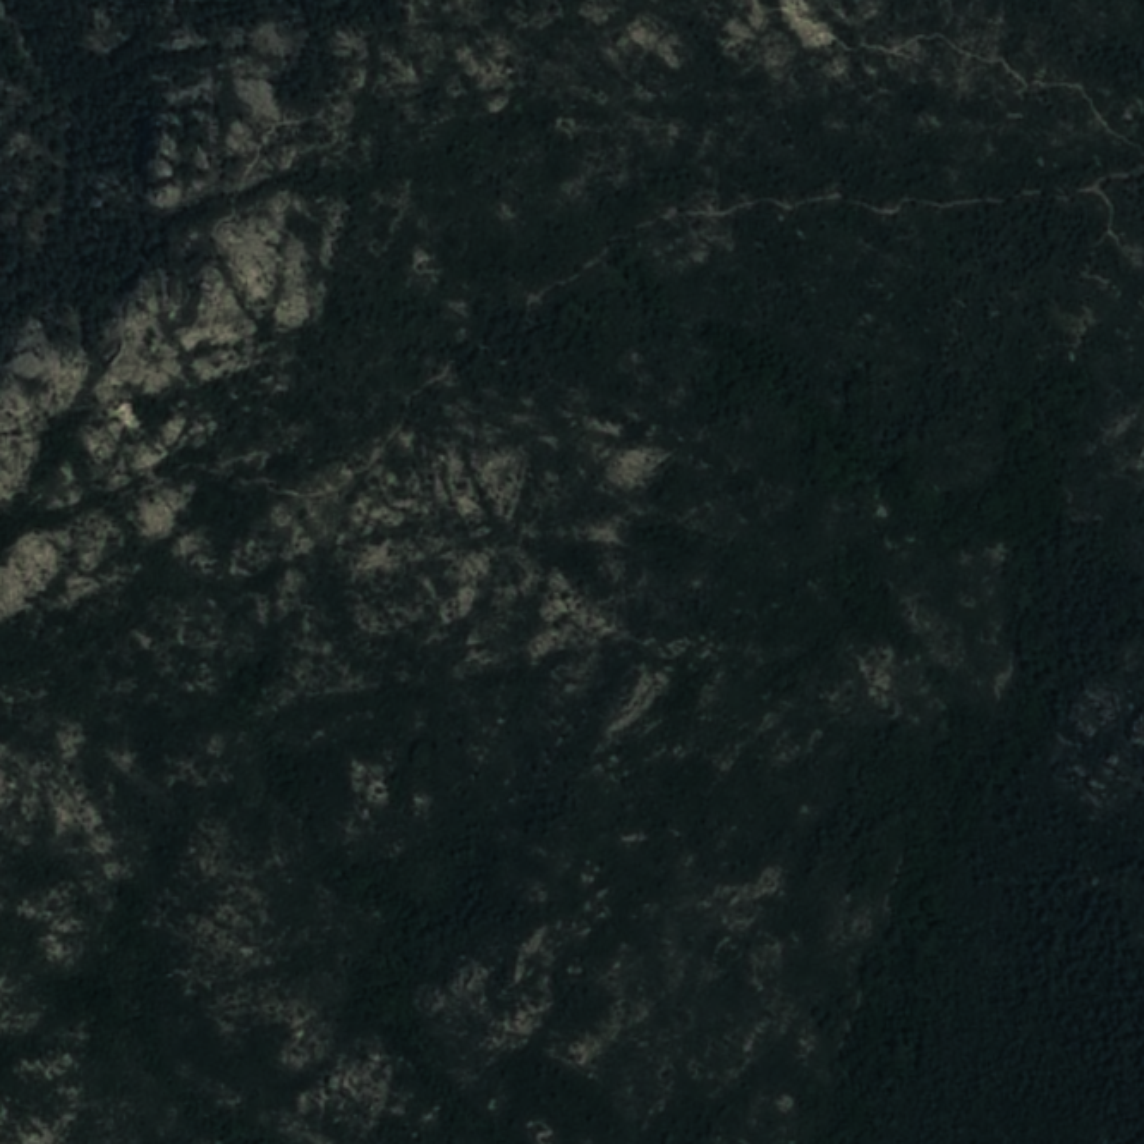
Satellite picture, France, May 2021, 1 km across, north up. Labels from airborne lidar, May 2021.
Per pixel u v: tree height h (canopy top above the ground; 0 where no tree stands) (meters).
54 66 15
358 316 12
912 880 18
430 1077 13
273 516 0
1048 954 18
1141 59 16
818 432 20
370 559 0
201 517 6
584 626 0
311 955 7
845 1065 17
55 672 6
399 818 6
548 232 7
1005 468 11
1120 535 8
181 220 12
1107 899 16
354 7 17
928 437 13
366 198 6
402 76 0
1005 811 6
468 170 10
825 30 0
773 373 19
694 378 8
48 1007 8
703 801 7
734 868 9
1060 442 8
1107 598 17
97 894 7
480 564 0
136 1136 6
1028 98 7
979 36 0
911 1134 6
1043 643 21
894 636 12
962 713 6
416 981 6
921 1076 11
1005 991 10
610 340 6
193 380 6
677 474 7
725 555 7
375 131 9
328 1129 8
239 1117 6
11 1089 6
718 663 8
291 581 0
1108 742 6
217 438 7
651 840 7
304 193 9
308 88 14
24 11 13
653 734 6
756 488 9
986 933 7
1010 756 13
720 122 6
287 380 0
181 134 13
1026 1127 8
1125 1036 10
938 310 12
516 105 10
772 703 7
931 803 7
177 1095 6
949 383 11
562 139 7
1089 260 9
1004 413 9
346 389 6
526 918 9
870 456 8
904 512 9
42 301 13
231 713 7
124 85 13
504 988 8
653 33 0
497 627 0
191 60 15
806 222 5
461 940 13
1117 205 8
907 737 7
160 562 9
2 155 10
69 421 8
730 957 5
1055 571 21
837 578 14
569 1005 14
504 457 0
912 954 22
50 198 14
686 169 7
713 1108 7
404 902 11
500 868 6
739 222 8
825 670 6
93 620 6
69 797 0
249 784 7
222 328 0
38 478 8
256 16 12
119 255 15
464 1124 12
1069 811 7
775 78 0
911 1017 8
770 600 7
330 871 11
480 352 15
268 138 0
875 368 16
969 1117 8
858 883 15
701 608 12
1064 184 12
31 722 12
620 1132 6
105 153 15
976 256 12
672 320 9
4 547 6
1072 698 6
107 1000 22
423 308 6
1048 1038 7
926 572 6
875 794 9
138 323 0
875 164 8
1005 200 7
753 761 6
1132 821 5
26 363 0
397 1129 7
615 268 8
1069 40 10
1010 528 17
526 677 8
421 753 18
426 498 0
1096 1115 9
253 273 0
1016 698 8
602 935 6
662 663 8
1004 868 6
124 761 0
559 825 6
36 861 7
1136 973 7
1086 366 7
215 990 9
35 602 7
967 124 0
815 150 7
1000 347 10
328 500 0
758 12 0
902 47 0
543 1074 13
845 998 16
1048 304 14
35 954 7
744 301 7
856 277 6
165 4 10
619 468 0
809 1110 8
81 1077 6
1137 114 6
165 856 6
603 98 7
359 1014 9
